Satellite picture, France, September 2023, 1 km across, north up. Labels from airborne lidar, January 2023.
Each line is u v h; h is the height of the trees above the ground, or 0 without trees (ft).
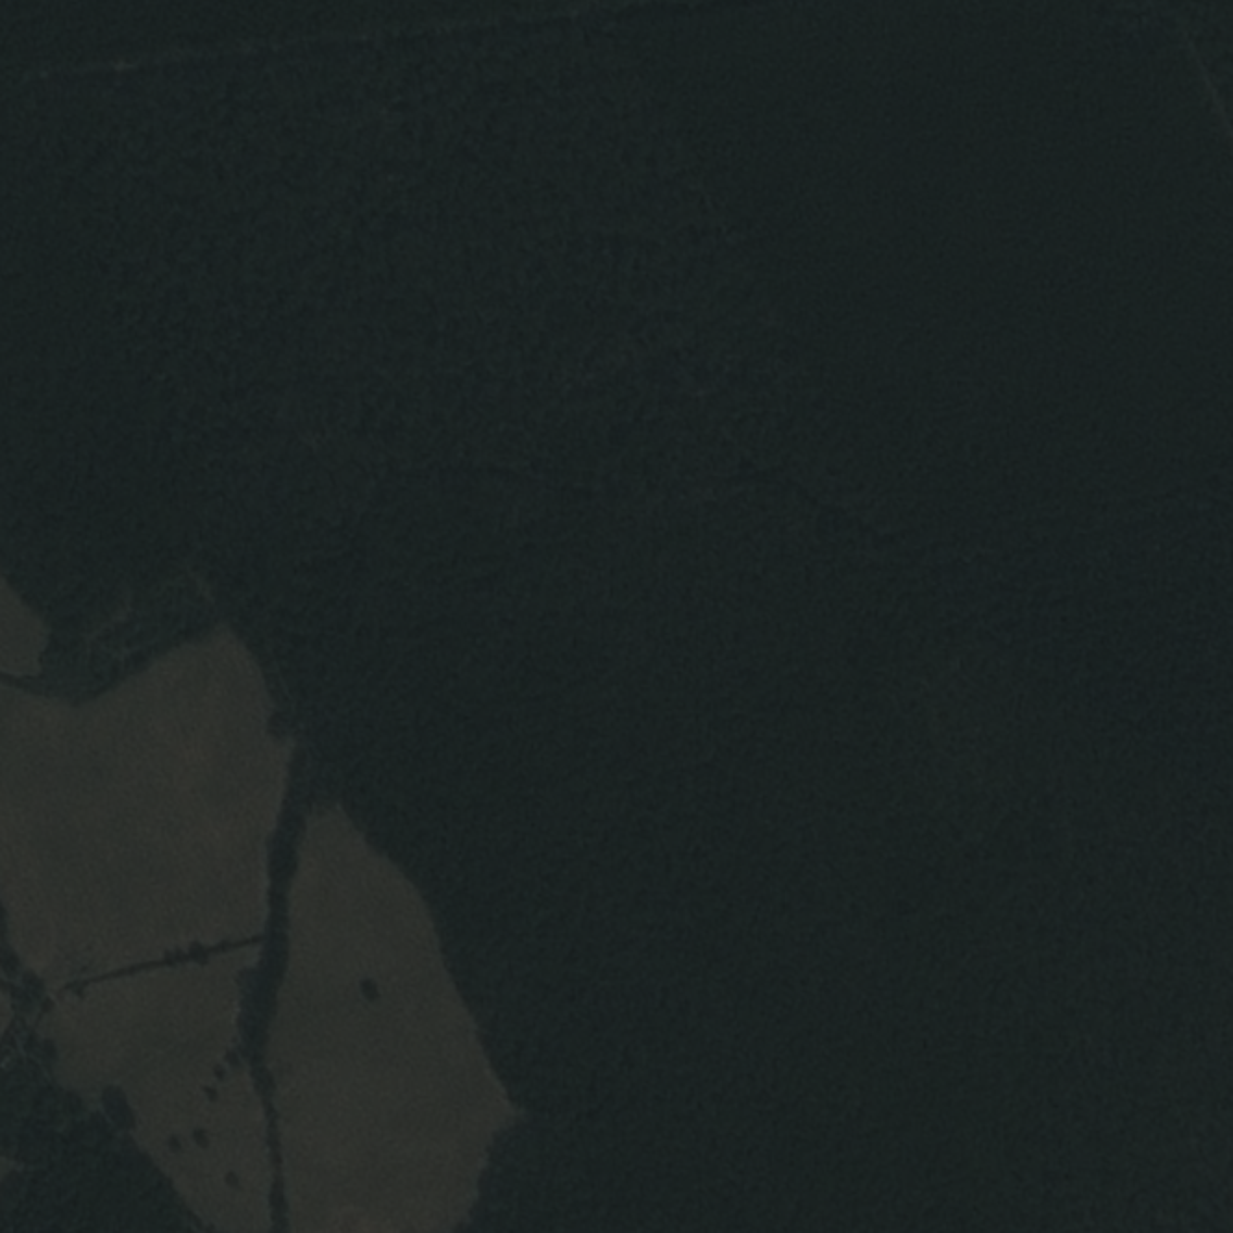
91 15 58
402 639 56
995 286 42
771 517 61
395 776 60
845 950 72
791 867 69
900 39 51
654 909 58
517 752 69
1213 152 53
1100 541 73
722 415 82
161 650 19
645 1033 58
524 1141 53
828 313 67
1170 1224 54
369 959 0
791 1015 63
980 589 73
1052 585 63
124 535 76
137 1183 54
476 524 61
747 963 56
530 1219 67
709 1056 61
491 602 62
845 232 65
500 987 68
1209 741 66
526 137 67
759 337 72
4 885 0
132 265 85
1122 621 62
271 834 0
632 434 83
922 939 62
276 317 32
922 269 52
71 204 70
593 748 69
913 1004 71
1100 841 67
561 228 42
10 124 66
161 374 53
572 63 25
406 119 74
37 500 71
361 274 67
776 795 63
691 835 64
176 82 56
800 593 73
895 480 63
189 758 0
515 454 54
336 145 75
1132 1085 68
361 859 0
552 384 53
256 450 51
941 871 72
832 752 68
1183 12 79
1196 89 54
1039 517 64
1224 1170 68
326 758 55
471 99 71
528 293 65
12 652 0
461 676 66
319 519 72
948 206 58
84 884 0
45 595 59
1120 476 63
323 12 59
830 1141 71
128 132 64
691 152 60
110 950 0
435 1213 0
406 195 57
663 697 63
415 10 58
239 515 67
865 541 62
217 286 78
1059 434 59
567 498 77
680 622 56
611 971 58
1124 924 63
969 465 60
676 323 76
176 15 57
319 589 42
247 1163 0
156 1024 0
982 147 52
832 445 76
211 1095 22
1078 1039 61
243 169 63
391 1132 0
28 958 0
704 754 54
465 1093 0
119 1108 66
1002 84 54
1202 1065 58
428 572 53
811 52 51
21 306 71
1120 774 72
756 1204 69
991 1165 66
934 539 81
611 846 60
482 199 57
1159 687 66
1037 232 46
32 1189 28
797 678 73
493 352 55
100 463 73
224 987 0
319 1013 0
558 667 73
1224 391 52
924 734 69
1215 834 69
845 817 68
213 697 0
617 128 68
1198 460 54
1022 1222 58
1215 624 68
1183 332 48
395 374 70
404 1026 0
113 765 0
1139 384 52
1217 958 62
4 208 71
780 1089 64
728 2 47
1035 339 53
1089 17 64
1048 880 67
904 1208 60
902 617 70
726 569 58
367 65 68
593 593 68
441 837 52
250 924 0
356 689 47
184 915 0
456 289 72
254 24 56
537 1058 66
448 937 44
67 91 84
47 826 0
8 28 64
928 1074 69
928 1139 68
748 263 65
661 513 76
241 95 50
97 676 29
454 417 66
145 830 0
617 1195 61
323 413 49
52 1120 40
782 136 60
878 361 61
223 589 47
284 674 50
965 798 71
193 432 49
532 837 61
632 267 62
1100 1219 64
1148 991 57
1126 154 52
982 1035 61
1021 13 62
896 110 46
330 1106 0
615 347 65
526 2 64
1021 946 68
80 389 79
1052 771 70
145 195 77
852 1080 73
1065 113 60
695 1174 61
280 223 60
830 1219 71
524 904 59
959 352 58
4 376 74
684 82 58
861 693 69
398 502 60
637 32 60
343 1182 0
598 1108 66
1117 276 47
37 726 0
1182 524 66
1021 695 69
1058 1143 66
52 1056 33
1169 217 50
